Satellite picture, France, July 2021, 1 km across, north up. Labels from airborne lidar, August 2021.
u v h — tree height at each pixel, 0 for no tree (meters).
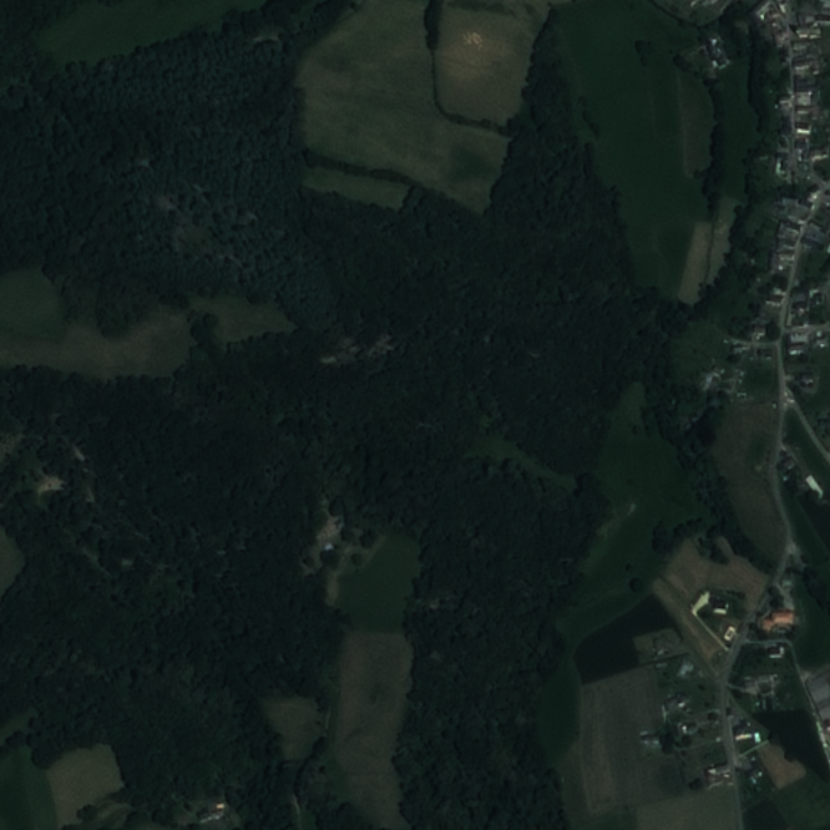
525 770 19
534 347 18
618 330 22
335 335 16
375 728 0
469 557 26
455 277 20
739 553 17
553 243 24
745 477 0
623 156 0
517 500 19
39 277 0
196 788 17
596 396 18
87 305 8
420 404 14
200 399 19
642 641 0
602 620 0
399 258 15
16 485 11
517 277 28
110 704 25
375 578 0
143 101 25
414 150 0
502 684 23
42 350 0
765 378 0
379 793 0
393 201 0
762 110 14
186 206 22
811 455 0
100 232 19
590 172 22
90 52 0
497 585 25
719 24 11
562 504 18
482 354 17
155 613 10
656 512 0
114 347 0
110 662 27
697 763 0
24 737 21
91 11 0
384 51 0
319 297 25
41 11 7
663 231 0
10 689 27
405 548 0
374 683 0
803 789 0
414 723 23
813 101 0
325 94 0
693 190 0
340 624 20
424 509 20
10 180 25
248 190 28
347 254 19
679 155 0
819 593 23
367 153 0
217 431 17
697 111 0
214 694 30
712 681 0
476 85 0
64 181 22
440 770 27
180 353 0
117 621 25
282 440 23
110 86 25
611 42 0
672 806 0
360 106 0
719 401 10
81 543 17
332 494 22
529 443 18
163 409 14
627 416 0
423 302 18
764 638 8
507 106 0
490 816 8
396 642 0
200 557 18
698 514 0
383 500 22
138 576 24
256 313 0
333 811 20
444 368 28
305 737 0
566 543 26
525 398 23
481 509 25
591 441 21
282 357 23
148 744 21
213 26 0
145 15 0
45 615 13
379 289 15
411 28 0
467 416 20
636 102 0
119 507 22
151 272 20
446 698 28
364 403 27
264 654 25
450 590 22
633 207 0
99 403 14
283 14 29
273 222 24
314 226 18
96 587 27
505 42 0
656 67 0
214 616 28
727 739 0
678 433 13
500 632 23
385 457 29
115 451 23
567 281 27
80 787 0
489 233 22
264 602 24
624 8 0
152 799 10
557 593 23
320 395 21
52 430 21
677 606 0
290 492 24
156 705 23
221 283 23
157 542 25
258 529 22
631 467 0
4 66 28
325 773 16
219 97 19
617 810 0
